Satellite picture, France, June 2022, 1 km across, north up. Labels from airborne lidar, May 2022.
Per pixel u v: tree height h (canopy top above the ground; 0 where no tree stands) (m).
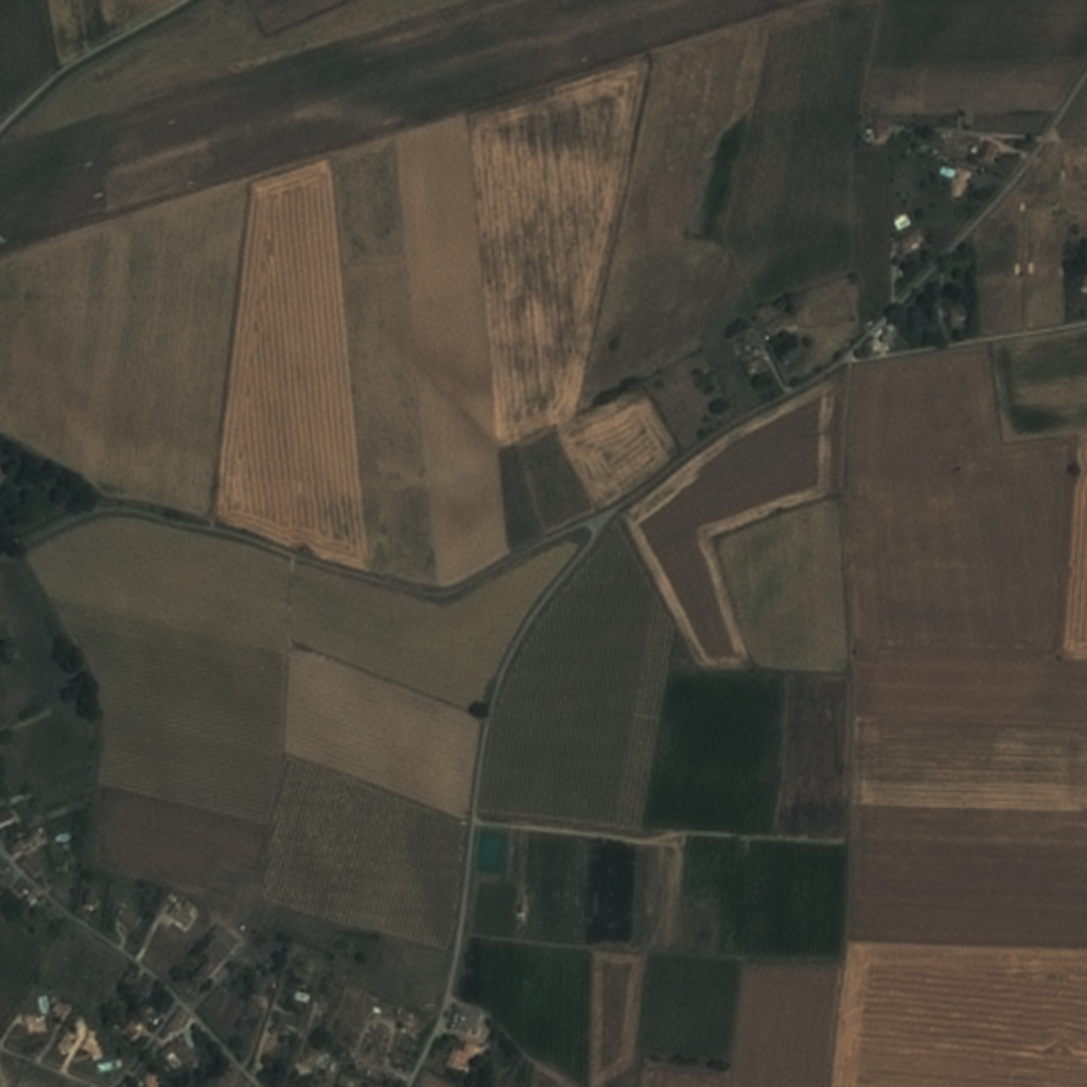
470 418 0
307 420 0
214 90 0
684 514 0
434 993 0
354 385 0
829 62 0
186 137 0
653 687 0
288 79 0
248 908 0
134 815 0
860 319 0
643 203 0
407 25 0
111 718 0
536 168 0
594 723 0
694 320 0
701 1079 0
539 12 0
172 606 0
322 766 0
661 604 0
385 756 0
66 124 0
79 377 0
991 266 0
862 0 0
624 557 0
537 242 0
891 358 0
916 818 0
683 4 0
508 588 0
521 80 0
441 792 0
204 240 0
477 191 0
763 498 0
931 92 0
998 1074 0
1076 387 0
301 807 0
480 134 0
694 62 0
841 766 0
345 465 0
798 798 0
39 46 0
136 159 0
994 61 0
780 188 0
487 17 0
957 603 0
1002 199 0
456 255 0
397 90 0
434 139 0
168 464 0
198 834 0
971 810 0
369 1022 0
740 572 0
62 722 0
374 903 0
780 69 0
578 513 0
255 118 0
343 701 0
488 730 0
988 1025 0
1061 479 0
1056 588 0
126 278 0
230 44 0
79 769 0
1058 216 0
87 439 0
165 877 0
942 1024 0
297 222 0
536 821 0
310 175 0
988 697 0
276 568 0
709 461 0
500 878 0
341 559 0
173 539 0
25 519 23
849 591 0
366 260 0
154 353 0
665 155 0
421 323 0
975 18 0
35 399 0
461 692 0
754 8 0
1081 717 0
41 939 0
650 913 0
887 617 0
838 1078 0
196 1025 6
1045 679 0
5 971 0
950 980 0
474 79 0
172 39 0
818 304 0
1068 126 0
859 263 0
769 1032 0
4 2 0
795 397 0
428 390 0
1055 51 0
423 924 0
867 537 0
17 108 0
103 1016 7
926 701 0
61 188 0
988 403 0
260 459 0
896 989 0
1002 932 0
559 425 0
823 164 0
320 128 0
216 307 0
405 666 0
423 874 0
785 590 0
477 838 0
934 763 0
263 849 0
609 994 0
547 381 0
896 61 0
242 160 0
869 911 0
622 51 0
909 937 0
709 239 0
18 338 0
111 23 0
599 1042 0
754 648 0
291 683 0
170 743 0
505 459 0
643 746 0
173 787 0
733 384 0
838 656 0
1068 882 0
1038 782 0
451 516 0
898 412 0
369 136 0
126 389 0
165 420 0
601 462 0
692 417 0
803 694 0
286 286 0
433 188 0
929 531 0
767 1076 0
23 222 0
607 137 0
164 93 0
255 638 0
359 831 0
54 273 0
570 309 0
